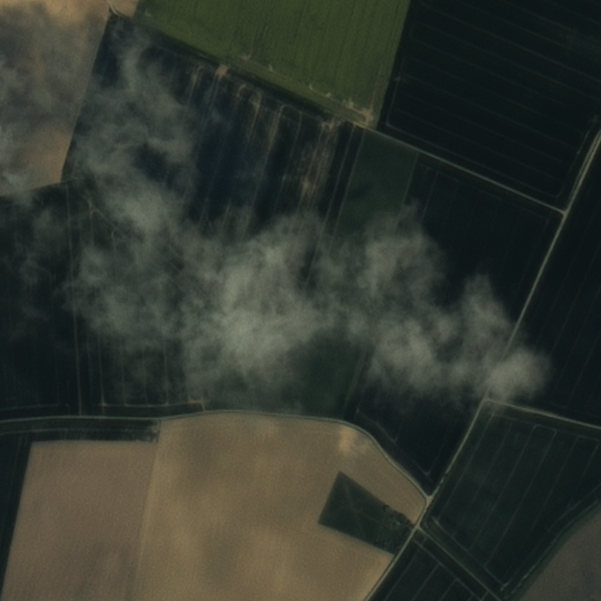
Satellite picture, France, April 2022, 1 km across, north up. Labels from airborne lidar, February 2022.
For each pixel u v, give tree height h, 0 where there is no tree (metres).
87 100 0
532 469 0
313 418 0
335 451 0
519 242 0
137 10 0
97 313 0
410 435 0
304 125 0
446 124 0
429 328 0
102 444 0
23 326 0
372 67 0
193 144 0
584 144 0
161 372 0
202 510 0
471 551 0
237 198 0
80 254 0
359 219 0
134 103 0
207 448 0
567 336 0
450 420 0
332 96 0
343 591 0
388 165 0
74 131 0
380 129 0
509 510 0
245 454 0
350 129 0
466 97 0
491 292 0
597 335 0
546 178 0
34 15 0
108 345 0
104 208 0
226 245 0
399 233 0
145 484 0
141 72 0
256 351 0
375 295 0
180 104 0
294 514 0
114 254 0
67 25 0
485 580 0
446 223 0
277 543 0
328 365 0
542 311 0
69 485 0
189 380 0
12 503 0
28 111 0
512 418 0
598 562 0
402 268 0
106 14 0
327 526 0
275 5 0
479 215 0
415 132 0
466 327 0
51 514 0
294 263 0
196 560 0
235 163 0
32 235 0
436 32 0
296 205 0
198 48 0
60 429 0
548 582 0
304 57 0
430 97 0
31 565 0
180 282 0
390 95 0
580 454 0
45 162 0
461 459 0
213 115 0
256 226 0
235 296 0
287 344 0
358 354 0
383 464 0
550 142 0
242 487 0
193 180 0
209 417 0
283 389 0
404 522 11
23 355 0
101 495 0
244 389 0
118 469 0
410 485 0
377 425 0
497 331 0
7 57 0
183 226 0
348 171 0
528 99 0
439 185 0
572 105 0
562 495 0
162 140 0
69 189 0
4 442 0
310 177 0
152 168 0
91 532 0
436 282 0
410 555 0
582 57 0
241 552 0
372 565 0
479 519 0
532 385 0
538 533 0
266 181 0
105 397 0
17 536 0
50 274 0
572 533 0
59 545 0
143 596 0
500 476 0
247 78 0
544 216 0
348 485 0
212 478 0
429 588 0
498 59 0
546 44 0
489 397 0
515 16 0
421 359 0
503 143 0
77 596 0
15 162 0
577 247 0
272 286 0
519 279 0
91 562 0
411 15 0
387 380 0
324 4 0
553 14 0
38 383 0
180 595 0
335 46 0
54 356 0
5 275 0
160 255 0
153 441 0
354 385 0
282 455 0
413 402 0
